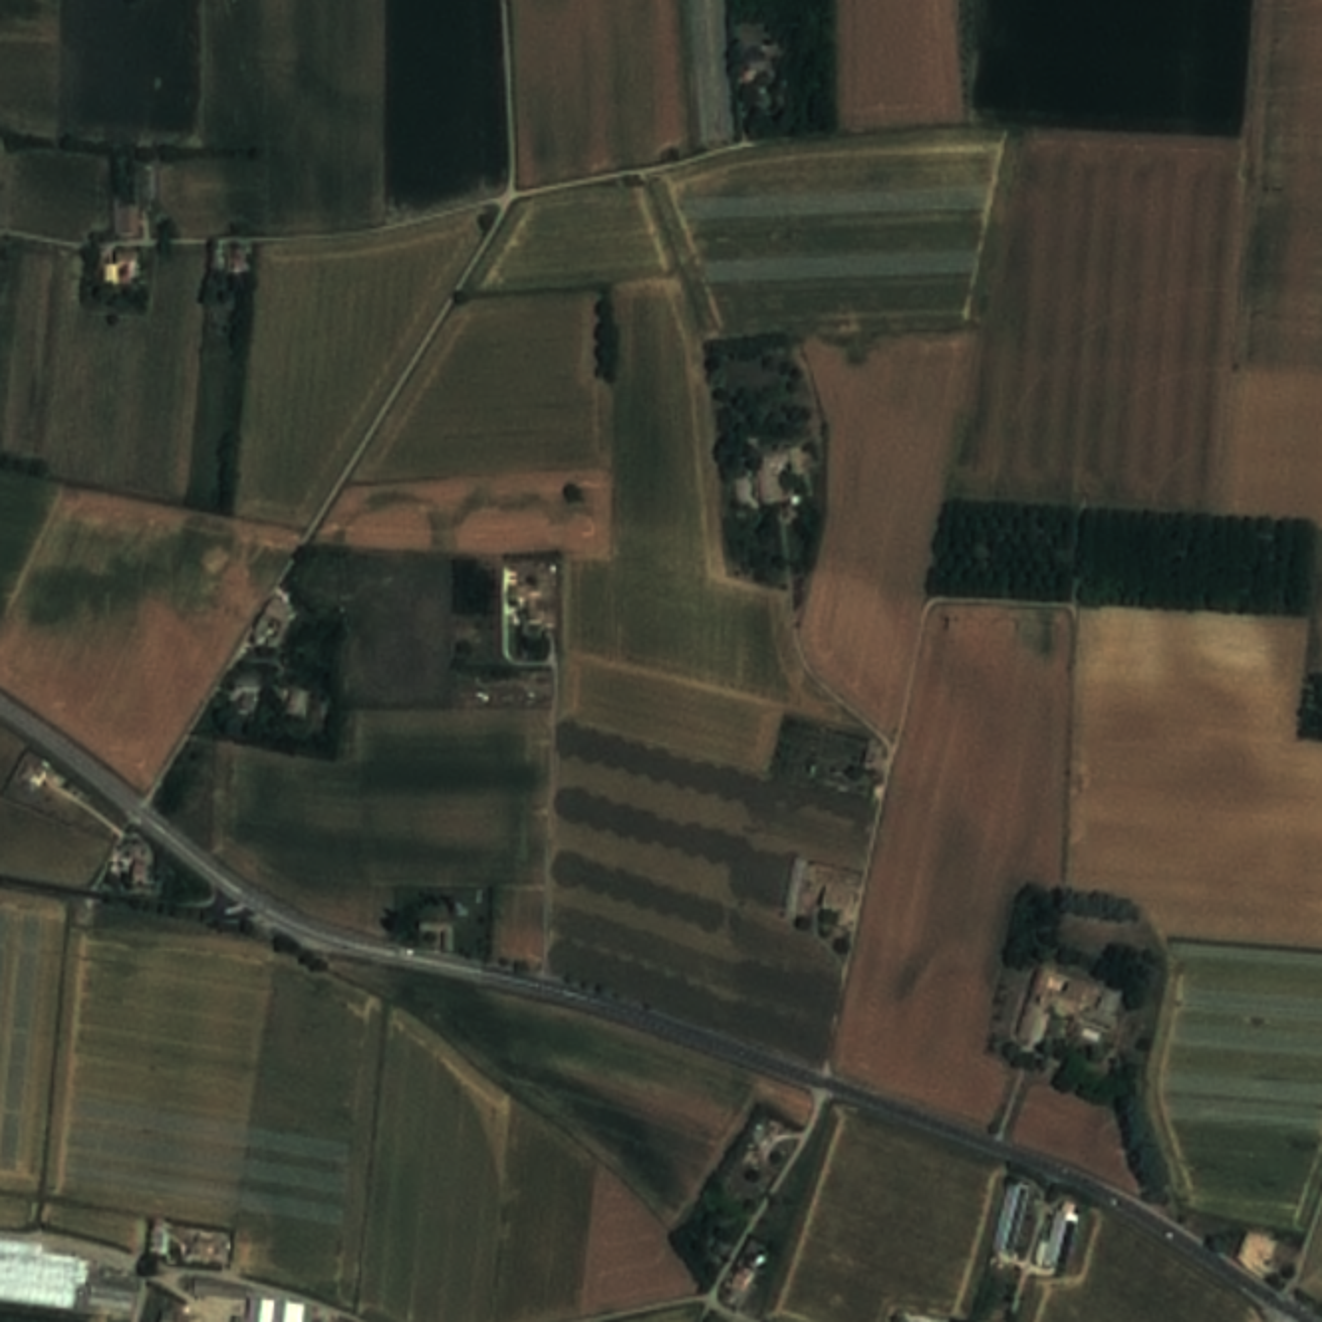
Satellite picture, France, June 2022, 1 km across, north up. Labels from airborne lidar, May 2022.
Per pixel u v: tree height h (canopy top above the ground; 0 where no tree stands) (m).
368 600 0
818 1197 0
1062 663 0
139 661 0
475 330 0
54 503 0
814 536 8
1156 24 0
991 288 0
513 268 0
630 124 0
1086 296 0
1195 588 15
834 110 9
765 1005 0
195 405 0
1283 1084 0
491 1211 0
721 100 0
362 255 0
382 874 0
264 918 0
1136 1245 0
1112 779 0
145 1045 0
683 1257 10
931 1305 0
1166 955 0
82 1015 0
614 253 0
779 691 0
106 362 0
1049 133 0
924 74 0
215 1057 0
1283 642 0
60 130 0
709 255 0
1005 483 0
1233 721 0
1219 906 0
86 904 0
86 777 0
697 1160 0
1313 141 0
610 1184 0
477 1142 0
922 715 0
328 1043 0
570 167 0
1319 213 0
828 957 0
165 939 0
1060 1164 0
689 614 0
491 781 0
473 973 0
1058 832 0
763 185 0
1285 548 14
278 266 0
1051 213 0
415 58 0
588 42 0
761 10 9
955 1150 0
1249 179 0
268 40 0
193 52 0
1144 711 0
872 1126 0
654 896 0
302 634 8
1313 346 0
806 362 0
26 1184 0
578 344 0
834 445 0
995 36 0
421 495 0
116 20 0
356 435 0
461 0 0
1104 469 0
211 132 0
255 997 0
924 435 0
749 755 0
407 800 0
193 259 0
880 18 0
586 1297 0
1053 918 18
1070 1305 0
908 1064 0
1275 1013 0
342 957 0
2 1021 0
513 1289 0
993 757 0
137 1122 0
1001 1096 0
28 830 0
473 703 0
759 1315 0
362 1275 0
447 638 0
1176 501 0
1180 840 0
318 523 0
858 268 0
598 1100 0
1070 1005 0
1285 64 0
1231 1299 0
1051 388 0
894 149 0
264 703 8
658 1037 0
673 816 0
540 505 0
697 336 0
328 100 0
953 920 0
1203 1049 0
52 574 0
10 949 0
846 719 0
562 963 0
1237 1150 0
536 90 0
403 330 0
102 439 0
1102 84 0
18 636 0
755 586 0
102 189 0
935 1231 0
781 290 0
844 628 0
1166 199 0
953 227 0
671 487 0
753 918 0
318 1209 0
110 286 7
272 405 0
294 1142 0
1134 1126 24
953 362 0
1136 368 0
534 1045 0
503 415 0
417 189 0
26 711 0
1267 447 0
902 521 0
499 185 0
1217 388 0
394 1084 0
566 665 0
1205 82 0
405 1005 0
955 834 0
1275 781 0
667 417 0
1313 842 0
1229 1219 0
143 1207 0
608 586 0
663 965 0
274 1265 0
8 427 0
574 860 0
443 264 0
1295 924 0
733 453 16
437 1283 0
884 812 0
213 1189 0
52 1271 0
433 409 0
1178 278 0
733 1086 0
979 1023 0
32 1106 0
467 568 7
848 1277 0
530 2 0
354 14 0
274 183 0
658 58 0
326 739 8
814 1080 0
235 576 0
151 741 0
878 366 0
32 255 0
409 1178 0
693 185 0
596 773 0
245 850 0
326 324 0
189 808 0
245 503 0
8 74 0
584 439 0
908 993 0
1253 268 0
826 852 0
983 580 13
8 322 0
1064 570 12
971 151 0
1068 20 0
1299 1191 0
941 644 0
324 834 0
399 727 0
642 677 0
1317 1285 0
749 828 0
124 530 0
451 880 0
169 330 0
